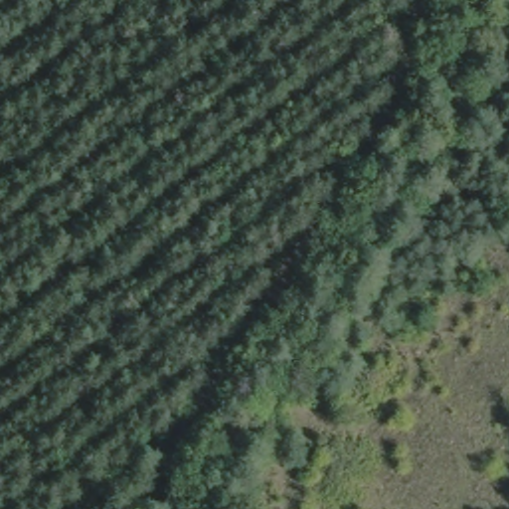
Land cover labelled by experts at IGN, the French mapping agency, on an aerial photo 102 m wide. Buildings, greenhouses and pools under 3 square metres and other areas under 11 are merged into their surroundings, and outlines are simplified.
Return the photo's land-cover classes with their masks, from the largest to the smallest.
<instances>
[{"label":"coniferous trees","instance_id":"1","mask_svg":"<svg viewBox=\"0 0 509 509\"><path fill-rule=\"evenodd\" d=\"M437 0H0V509H169V505L163 501L167 499V493L171 489L175 469L189 463L185 447H195L201 443L203 427L213 420V414L221 408L217 390L225 382H231L233 388H239L241 384V380L237 378V366L243 358L237 354L233 356V360H229V352L235 346H249V334L254 326L268 324L270 312H278L280 308H284V290L294 288L298 290V296H306L308 300L314 296L316 280L302 270V264L306 262V254L310 251L312 239L306 227L316 213V207L320 205L332 213V217L342 219V189H356L360 185L356 179L348 177V171L364 169L370 157L376 159L378 171L384 175L394 167V161L380 147V133L398 127V111H404L406 117L412 115L418 107H422L425 95L429 93L427 78L420 74L416 28L420 22L425 24L433 18V4ZM453 123L459 127H471L473 119L479 115L481 109L493 107L497 111L499 123L503 125V135L497 145L473 149L445 147L429 161H408L404 177L412 185H416L418 191H422L435 201L427 215H418L414 211L404 213L402 201H394L386 211L372 213L376 225L374 245L378 247V251L372 254L370 264L364 268L356 284V310L342 312L338 316H332L330 320L332 338H342L346 342V350L334 366L338 372V382H334L330 388L320 384L316 398V408L312 412L320 420L328 424L360 425L362 414L350 408V404L356 400L352 390L356 378L366 364L364 352L376 350L384 338H398L400 342H408V346H424L431 340V334L416 330L414 324L420 322V314L425 310H435L441 292H445L451 298H455L457 292L473 294L479 284L475 268H491L495 282L483 288L479 296H493L499 288L509 286V80L499 87H493L491 95L483 101H469L461 97L451 99ZM286 404L284 396L278 394L274 398L272 416L262 424L247 427L223 425L229 437L231 451L247 459V477L233 479L229 489L233 493H245L249 497L253 493H262L266 509H320V493L328 489L332 473V467L328 465L330 455L328 449H318V437L306 439L304 443H296L292 439V427L284 425L282 414V408ZM392 435L396 431L414 429L416 416L410 408L406 412L398 410L396 416L386 424ZM495 491L505 499L501 509H509V465L507 475L497 479L495 483Z\"/></svg>","mask_w":509,"mask_h":509},{"label":"deciduous trees","instance_id":"2","mask_svg":"<svg viewBox=\"0 0 509 509\"><path fill-rule=\"evenodd\" d=\"M420 74L427 78L429 93L425 95L422 107H418L412 115L406 117L404 111H398V127L380 133V147L394 161V167L384 175L378 171L376 159L370 157L364 169L348 171V177L356 179L360 185L356 189H342V219L332 217V213L320 205L316 207V213L306 227L312 239L310 251L306 254V262L302 264V270L316 280L314 296L308 300L306 296H298V290L294 288L284 290V308H280L278 312H270L268 324L254 326L249 334V346H235L229 352V360H233V356L237 354L243 358L237 366V378L241 380V384L239 388H233L231 382H225L217 390L221 408L213 414V420L203 427L201 443L195 447H185L189 463L175 469L171 489L167 493V499L163 501L169 505V509H266L262 493H253L249 497L245 493H233L229 489L233 479L247 477V459L231 451L229 437L223 425L247 427L262 424L272 416L274 398L278 394L284 396L286 404L300 406L304 398H316L320 384L330 388L334 382H338V372L334 366L346 350V342L342 338H332L330 320L332 316H338L342 312L356 310V284L364 268L370 264L372 254L378 251V247L374 245L376 225L372 213L386 211L394 201H402L404 213L414 211L418 215H427L435 201L422 191H418L416 185H412L404 177L408 161H429L445 147L473 149L497 145L503 135V125L499 123L497 111L493 107L481 109L479 115L473 119L471 127H459L453 123L451 99L461 97L469 101H483L491 95L493 87H499L509 80V0H437L433 4V18L425 24L420 22L416 28ZM479 284L473 294L479 296L483 288L495 282L491 268H475ZM441 322L435 310H425L420 314V322L414 324L416 330L431 334Z\"/></svg>","mask_w":509,"mask_h":509},{"label":"herbaceous vegetation","instance_id":"3","mask_svg":"<svg viewBox=\"0 0 509 509\"><path fill-rule=\"evenodd\" d=\"M441 322L431 334V340L424 346H408V342H400L398 338H384L376 350L364 352L366 364L356 378L352 390L356 400L350 404V408L362 414L360 425L328 424L320 420L312 412L316 408V398H304L300 406L286 404L282 408V414L284 425L292 427V439L296 443H304L306 439L318 437V449H328L330 455L328 465L332 467V473L328 489L320 493V509H501L505 499L495 491V483L497 479L507 475L509 465V286L499 288L493 296H479L473 294L457 292L455 298H451L445 292H441L435 310ZM410 408L416 416L414 429L396 431L392 435L386 424L396 416L398 410L406 412Z\"/></svg>","mask_w":509,"mask_h":509}]
</instances>
